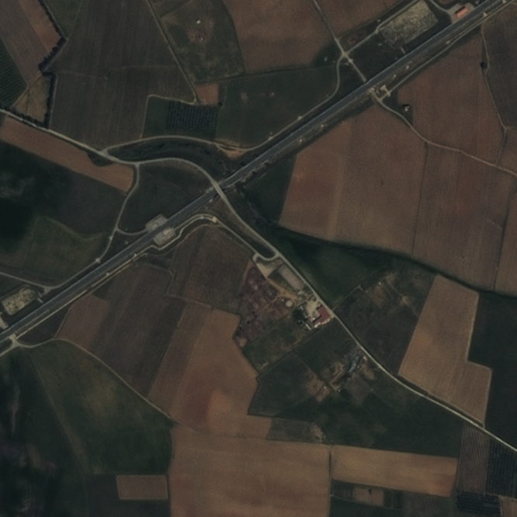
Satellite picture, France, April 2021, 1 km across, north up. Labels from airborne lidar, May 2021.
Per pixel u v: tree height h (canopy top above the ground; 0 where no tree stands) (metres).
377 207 0
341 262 0
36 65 0
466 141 0
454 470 0
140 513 0
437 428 0
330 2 0
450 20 0
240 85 0
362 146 0
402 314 0
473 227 0
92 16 0
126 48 0
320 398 0
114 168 0
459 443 0
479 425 0
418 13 0
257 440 0
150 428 0
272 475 0
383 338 0
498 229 0
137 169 0
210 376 0
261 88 0
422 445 0
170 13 0
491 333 0
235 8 0
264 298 0
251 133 0
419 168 0
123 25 0
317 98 0
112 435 0
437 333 0
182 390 0
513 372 0
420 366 0
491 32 0
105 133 0
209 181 0
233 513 0
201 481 0
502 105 0
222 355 0
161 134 0
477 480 0
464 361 0
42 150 0
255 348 0
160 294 0
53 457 0
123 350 0
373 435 0
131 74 0
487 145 0
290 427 0
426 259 0
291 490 0
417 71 0
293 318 0
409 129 0
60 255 0
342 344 0
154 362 0
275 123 0
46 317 0
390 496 0
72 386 0
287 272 0
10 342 0
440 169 0
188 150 0
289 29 0
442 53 0
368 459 0
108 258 0
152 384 0
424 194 0
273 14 0
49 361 0
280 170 0
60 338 0
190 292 0
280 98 0
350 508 0
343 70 0
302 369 0
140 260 0
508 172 0
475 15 0
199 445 0
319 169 0
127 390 0
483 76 0
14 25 0
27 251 0
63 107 0
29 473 0
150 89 0
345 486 0
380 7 0
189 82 0
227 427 0
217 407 0
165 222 0
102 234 0
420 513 0
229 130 0
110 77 0
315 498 0
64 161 0
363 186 0
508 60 0
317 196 0
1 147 0
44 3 9
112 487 0
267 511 0
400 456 0
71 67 0
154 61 0
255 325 0
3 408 0
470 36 0
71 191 0
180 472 0
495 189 0
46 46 0
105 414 0
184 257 0
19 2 0
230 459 0
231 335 0
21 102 0
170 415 0
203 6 0
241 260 0
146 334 0
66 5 0
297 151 0
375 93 0
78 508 0
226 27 0
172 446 0
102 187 0
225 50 0
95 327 0
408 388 0
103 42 0
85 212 0
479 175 0
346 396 0
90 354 0
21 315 0
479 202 0
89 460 0
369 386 0
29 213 0
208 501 0
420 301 0
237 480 0
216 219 0
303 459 0
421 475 0
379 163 0
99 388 0
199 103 0
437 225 0
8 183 0
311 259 0
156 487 0
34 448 0
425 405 0
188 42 0
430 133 0
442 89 0
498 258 0
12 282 0
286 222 0
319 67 0
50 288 0
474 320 0
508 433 0
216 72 0
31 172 0
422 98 0
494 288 0
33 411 0
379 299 0
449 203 0
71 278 0
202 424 0
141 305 0
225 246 0
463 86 0
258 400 0
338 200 0
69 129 0
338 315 0
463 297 0
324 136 0
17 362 0
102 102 0
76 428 0
